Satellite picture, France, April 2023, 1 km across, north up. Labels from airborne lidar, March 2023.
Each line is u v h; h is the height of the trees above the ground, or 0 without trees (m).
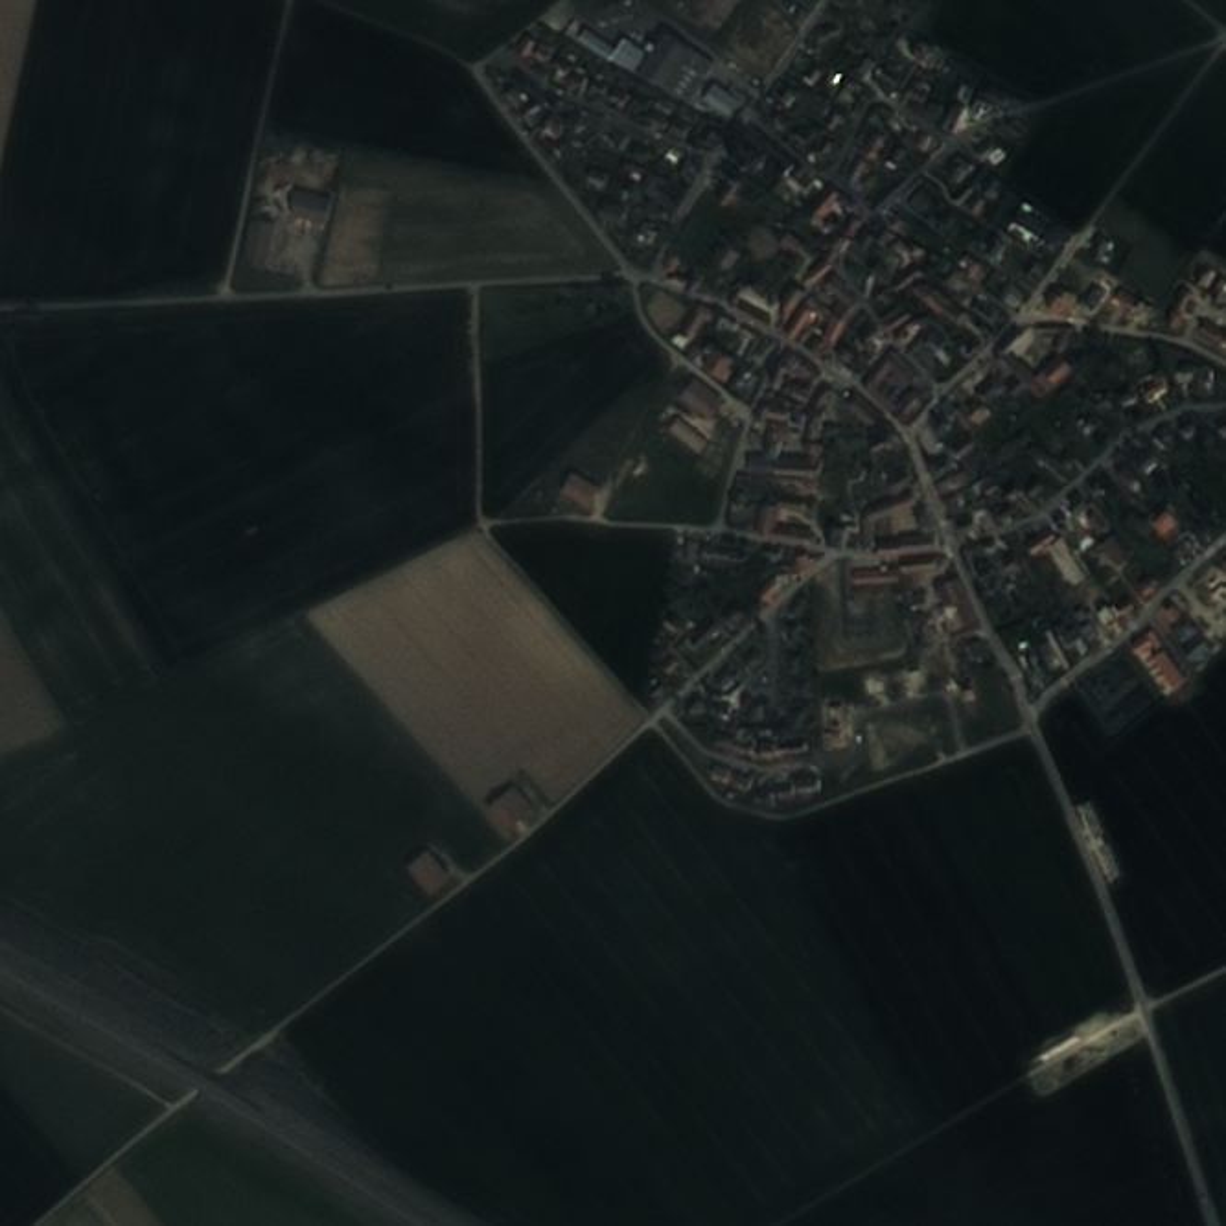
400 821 0
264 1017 0
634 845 0
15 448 0
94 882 0
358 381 0
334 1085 0
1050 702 0
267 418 0
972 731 0
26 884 0
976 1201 0
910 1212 0
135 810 0
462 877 0
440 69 0
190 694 0
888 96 0
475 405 0
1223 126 0
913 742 0
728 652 0
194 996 0
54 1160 0
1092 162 0
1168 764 0
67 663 0
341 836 0
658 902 0
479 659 0
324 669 0
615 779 0
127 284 0
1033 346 0
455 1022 0
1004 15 0
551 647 0
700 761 0
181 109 0
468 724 0
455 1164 0
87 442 0
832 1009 0
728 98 0
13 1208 0
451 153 0
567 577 0
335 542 0
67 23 0
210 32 0
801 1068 0
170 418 0
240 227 0
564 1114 0
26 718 0
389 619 0
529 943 0
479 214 0
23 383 0
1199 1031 0
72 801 0
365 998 0
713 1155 0
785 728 7
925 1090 0
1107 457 0
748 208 0
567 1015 0
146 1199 0
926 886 0
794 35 0
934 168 0
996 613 11
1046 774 0
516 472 0
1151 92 0
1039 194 0
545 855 0
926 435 0
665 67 0
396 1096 0
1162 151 0
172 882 0
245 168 0
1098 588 0
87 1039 0
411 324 0
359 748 0
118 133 0
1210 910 0
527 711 0
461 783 0
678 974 0
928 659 0
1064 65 0
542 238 0
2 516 0
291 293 0
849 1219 0
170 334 0
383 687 0
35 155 0
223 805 0
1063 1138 0
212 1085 0
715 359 0
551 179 0
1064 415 0
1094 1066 0
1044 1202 0
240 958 0
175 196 0
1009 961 0
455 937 0
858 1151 0
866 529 0
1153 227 0
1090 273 0
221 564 0
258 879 0
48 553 0
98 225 0
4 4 0
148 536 0
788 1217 0
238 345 0
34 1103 0
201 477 0
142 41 0
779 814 0
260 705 0
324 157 0
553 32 8
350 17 0
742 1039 0
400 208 0
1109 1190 0
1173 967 0
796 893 0
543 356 0
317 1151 0
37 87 0
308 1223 0
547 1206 0
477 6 0
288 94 0
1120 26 0
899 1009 0
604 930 0
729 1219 0
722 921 0
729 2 0
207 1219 0
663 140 0
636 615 0
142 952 0
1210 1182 0
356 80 0
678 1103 0
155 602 0
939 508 0
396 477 0
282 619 0
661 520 0
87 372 0
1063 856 0
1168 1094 0
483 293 0
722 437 0
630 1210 0
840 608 0
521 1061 0
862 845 0
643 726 0
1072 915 0
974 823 0
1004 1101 0
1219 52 0
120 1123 0
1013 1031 0
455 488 0
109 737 0
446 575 0
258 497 0
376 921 0
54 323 0
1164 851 0
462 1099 0
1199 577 0
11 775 0
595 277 0
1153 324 0
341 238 0
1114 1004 0
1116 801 0
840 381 0
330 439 0
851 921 0
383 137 0
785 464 0
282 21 0
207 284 0
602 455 0
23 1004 0
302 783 0
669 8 0
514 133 0
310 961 0
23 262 0
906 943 0
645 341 0
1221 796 0
